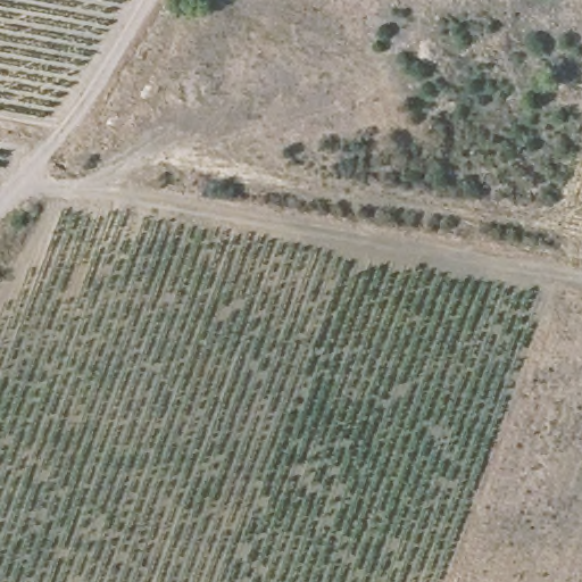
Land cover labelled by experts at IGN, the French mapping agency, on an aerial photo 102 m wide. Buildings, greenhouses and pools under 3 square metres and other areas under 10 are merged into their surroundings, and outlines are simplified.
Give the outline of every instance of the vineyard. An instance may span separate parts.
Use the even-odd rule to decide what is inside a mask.
[[[443,582],[448,575],[448,566],[455,557],[457,543],[462,539],[462,532],[466,527],[466,521],[471,516],[473,498],[487,473],[491,450],[500,434],[500,425],[505,421],[505,414],[509,411],[512,389],[516,386],[516,382],[507,380],[507,373],[518,373],[523,368],[527,348],[539,325],[537,318],[518,316],[518,309],[532,309],[534,300],[539,298],[539,286],[516,289],[496,280],[457,280],[443,271],[430,268],[427,264],[418,264],[409,271],[391,271],[386,264],[380,264],[364,271],[355,259],[334,255],[327,248],[259,236],[257,232],[241,232],[234,236],[230,230],[221,227],[191,227],[182,225],[177,216],[157,221],[146,216],[139,239],[123,241],[120,248],[118,241],[123,227],[130,223],[134,209],[114,209],[98,218],[91,218],[91,214],[84,211],[64,209],[52,234],[52,241],[48,246],[43,266],[32,266],[25,275],[25,284],[18,298],[5,302],[5,307],[11,309],[14,316],[0,316],[0,582]]]

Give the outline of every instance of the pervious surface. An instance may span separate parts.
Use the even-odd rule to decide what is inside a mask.
[[[14,155],[11,150],[0,148],[0,218],[14,211],[20,205],[20,200],[41,200],[45,196],[57,196],[68,200],[100,200],[102,193],[118,191],[118,186],[102,186],[91,173],[82,180],[55,180],[50,157],[61,148],[66,136],[82,125],[84,116],[93,109],[93,102],[107,86],[114,68],[123,59],[127,45],[134,41],[136,32],[141,30],[143,20],[152,11],[157,0],[130,0],[120,7],[120,11],[116,11],[116,25],[111,25],[111,30],[102,34],[102,41],[98,43],[91,64],[86,64],[77,75],[77,84],[55,109],[55,114],[43,118],[45,127],[48,139],[41,141],[34,150],[25,143]]]

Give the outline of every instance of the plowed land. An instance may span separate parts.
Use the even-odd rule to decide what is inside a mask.
[[[582,114],[582,80],[559,84],[557,98],[548,102],[550,111],[559,111],[562,107],[577,107]]]
[[[175,16],[168,7],[168,0],[157,0],[152,11],[143,20],[141,30],[136,32],[134,41],[127,45],[123,59],[114,68],[107,86],[93,102],[93,109],[84,116],[82,125],[66,136],[61,148],[50,157],[55,180],[82,180],[91,173],[102,186],[118,186],[118,191],[102,193],[100,200],[68,200],[57,196],[45,196],[41,200],[45,211],[41,221],[32,225],[23,252],[11,261],[11,277],[0,282],[0,316],[14,316],[11,309],[5,307],[5,302],[18,298],[25,284],[25,275],[32,266],[43,266],[48,246],[52,241],[52,234],[64,209],[84,211],[91,214],[91,218],[98,218],[114,209],[134,209],[130,223],[123,227],[118,241],[120,248],[123,241],[139,239],[146,216],[157,221],[177,216],[182,225],[191,227],[221,227],[230,230],[234,236],[241,232],[257,232],[259,236],[327,248],[334,255],[355,259],[364,271],[380,264],[386,264],[391,271],[409,271],[418,264],[427,264],[430,268],[443,271],[457,280],[496,280],[516,289],[539,286],[539,298],[534,300],[532,309],[518,309],[518,316],[537,318],[539,325],[527,348],[523,368],[518,373],[507,373],[507,380],[516,382],[516,386],[512,389],[509,411],[505,414],[505,421],[500,425],[500,434],[491,450],[487,473],[473,498],[471,516],[466,521],[466,527],[462,532],[462,539],[457,543],[455,557],[448,566],[448,575],[443,582],[582,582],[582,146],[577,152],[577,168],[562,191],[562,200],[555,205],[518,205],[514,200],[502,200],[500,191],[507,191],[505,184],[493,184],[487,198],[441,198],[437,191],[425,191],[421,186],[402,189],[393,184],[361,184],[357,180],[336,177],[334,164],[341,161],[341,152],[323,150],[321,141],[327,136],[361,139],[361,132],[368,127],[386,127],[389,132],[400,130],[409,118],[405,100],[416,95],[416,91],[421,89],[418,77],[405,73],[405,66],[400,64],[400,52],[411,50],[427,61],[437,66],[441,77],[448,73],[450,57],[443,55],[443,48],[448,48],[448,36],[441,34],[441,18],[446,14],[466,14],[468,18],[471,14],[487,9],[496,20],[502,23],[502,27],[496,34],[487,34],[466,45],[459,57],[471,59],[473,64],[496,61],[491,77],[507,77],[512,84],[518,80],[518,73],[514,68],[514,61],[505,52],[507,41],[521,41],[527,34],[541,30],[550,36],[575,32],[582,39],[582,0],[234,0],[232,5],[207,16]]]
[[[0,127],[45,127],[43,118],[55,114],[55,109],[77,84],[77,75],[86,64],[91,64],[98,43],[102,41],[102,34],[111,30],[111,25],[116,25],[116,11],[120,11],[120,7],[130,0],[0,0]]]

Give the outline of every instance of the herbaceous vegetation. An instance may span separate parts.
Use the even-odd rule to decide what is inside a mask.
[[[11,277],[11,261],[23,252],[32,225],[41,221],[45,211],[41,200],[20,200],[20,205],[14,211],[0,218],[0,282]]]

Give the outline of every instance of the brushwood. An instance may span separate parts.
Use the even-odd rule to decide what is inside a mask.
[[[507,191],[500,191],[502,200],[514,200],[518,205],[555,205],[562,200],[562,191],[577,168],[577,152],[582,146],[582,114],[577,107],[562,107],[559,111],[550,111],[548,102],[557,98],[559,84],[582,80],[582,39],[575,32],[550,36],[541,30],[527,34],[521,41],[507,41],[505,52],[514,61],[514,68],[518,73],[518,80],[512,84],[507,77],[491,77],[496,61],[473,64],[471,59],[459,57],[466,45],[487,34],[496,34],[502,27],[502,23],[496,20],[487,9],[471,14],[468,18],[466,14],[446,14],[441,18],[441,34],[448,36],[448,48],[443,48],[443,55],[450,57],[448,73],[441,77],[437,66],[427,61],[423,64],[418,77],[421,89],[416,91],[416,95],[405,100],[409,118],[400,130],[389,132],[386,127],[368,127],[361,132],[361,139],[327,136],[321,141],[323,150],[341,152],[341,161],[334,164],[336,177],[357,180],[361,184],[393,184],[402,189],[421,186],[425,191],[437,191],[441,198],[487,198],[493,184],[505,184]]]
[[[41,141],[48,139],[45,127],[0,127],[0,148],[11,150],[14,155],[25,143],[34,150]]]

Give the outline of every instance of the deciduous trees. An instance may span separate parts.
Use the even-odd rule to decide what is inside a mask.
[[[400,64],[405,66],[405,73],[418,77],[423,64],[427,61],[411,50],[400,52]]]
[[[168,7],[175,16],[207,16],[232,5],[234,0],[168,0]]]

